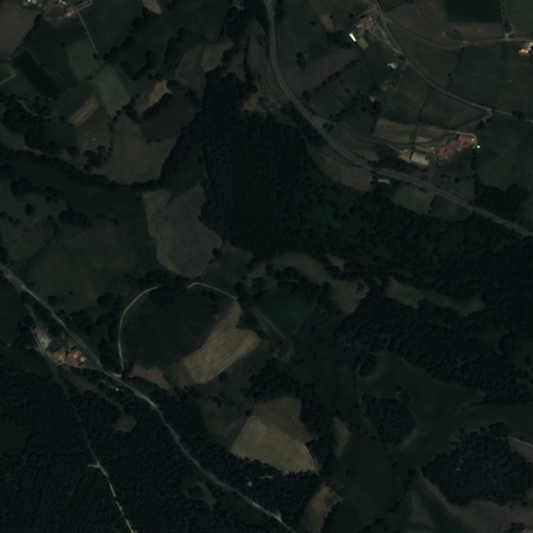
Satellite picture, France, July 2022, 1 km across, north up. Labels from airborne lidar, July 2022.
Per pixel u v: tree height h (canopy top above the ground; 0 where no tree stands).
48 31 0
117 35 0
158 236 0
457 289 16
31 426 14
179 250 0
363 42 0
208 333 0
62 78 0
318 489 16
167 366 0
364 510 0
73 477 12
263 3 8
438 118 0
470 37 0
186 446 23
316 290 21
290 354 0
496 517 0
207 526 24
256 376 7
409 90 0
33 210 19
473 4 0
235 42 13
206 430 18
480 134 0
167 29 0
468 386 15
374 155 0
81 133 0
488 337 0
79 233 0
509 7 0
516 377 20
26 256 0
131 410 19
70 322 20
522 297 19
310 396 14
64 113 0
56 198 18
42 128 22
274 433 0
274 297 0
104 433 11
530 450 0
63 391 14
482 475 15
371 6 0
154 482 16
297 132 20
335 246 10
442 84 0
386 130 0
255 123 14
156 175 0
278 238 22
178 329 0
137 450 14
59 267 0
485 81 0
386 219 8
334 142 0
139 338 0
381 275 20
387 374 0
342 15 0
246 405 0
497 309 21
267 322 0
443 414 0
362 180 0
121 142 0
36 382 12
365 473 0
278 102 0
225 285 0
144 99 0
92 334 19
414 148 8
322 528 0
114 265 0
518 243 11
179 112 0
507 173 0
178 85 16
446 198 0
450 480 16
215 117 26
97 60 14
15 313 0
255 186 24
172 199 0
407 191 0
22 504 8
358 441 0
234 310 0
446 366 23
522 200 10
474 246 10
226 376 16
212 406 0
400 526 0
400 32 0
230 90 18
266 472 12
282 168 21
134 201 0
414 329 29
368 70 0
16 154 18
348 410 0
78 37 0
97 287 0
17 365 12
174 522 16
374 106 8
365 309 21
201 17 0
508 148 0
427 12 0
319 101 0
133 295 0
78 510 8
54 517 12
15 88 0
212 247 0
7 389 8
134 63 0
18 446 0
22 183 20
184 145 17
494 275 18
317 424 22
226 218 18
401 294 0
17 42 0
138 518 12
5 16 0
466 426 0
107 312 0
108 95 0
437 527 0
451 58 0
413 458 0
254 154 23
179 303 0
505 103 0
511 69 0
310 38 0
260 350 0
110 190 16
